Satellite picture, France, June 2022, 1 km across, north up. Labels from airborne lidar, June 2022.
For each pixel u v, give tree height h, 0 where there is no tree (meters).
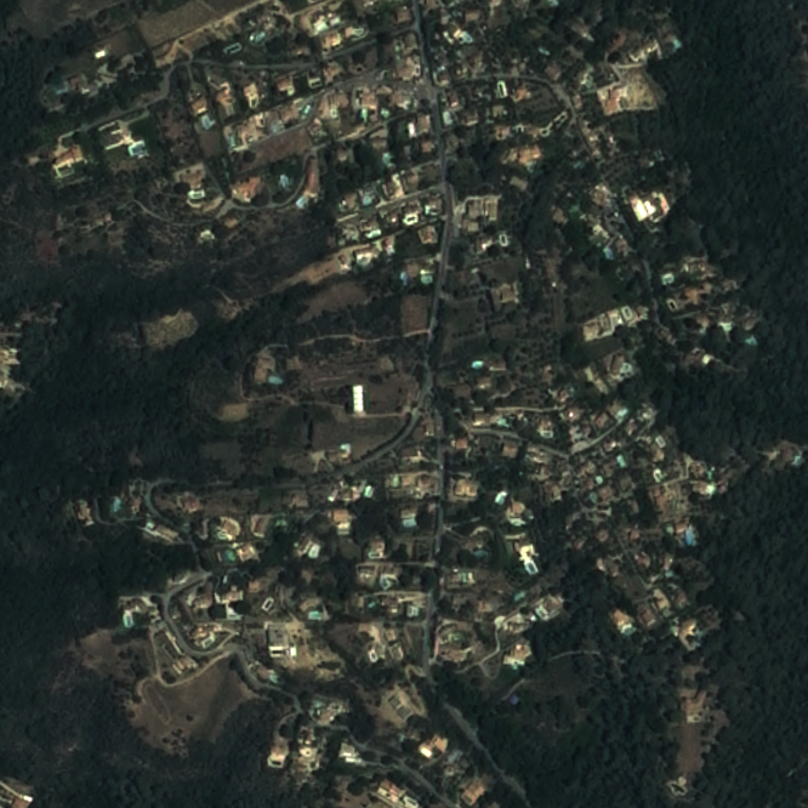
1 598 16
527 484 13
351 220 0
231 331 11
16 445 18
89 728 9
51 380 21
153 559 15
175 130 0
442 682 13
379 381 10
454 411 14
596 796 13
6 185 7
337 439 0
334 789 11
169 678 6
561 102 6
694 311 13
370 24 11
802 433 17
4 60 16
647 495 8
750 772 12
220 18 0
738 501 22
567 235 14
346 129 0
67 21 0
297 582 16
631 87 0
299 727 14
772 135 22
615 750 21
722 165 18
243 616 12
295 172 14
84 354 21
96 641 0
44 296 8
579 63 6
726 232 17
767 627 19
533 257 8
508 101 8
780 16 20
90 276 6
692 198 16
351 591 13
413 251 0
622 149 10
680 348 13
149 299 10
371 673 11
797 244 16
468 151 13
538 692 0
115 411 17
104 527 8
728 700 24
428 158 11
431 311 9
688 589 14
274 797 9
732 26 18
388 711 0
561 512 8
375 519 13
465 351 8
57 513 12
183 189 13
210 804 21
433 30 9
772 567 22
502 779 11
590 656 22
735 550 22
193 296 8
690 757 0
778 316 7
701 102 16
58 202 9
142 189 5
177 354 12
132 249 8
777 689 20
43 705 10
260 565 9
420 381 10
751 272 17
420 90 0
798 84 15
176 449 11
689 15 17
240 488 12
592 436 13
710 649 23
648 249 19
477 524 6
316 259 10
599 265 16
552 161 5
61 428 13
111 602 7
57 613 9
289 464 0
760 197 16
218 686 0
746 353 22
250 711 8
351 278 6
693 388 15
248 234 8
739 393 17
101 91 9
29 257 11
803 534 22
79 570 15
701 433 14
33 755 7
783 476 16
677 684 25
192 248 6
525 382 17
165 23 0
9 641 6
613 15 21
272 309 7
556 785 17
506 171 8
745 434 22
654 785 21
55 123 7
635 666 24
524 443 7
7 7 9
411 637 0
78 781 7
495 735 18
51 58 12
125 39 0
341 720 18
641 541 8
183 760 6
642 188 13
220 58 7
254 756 9
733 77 21
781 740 8
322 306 0
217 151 0
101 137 7
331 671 11
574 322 12
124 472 9
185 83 12
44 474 10
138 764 6
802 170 15
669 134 22
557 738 9
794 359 18
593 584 18
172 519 9
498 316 8
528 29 8
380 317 7
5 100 18
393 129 10
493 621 0
